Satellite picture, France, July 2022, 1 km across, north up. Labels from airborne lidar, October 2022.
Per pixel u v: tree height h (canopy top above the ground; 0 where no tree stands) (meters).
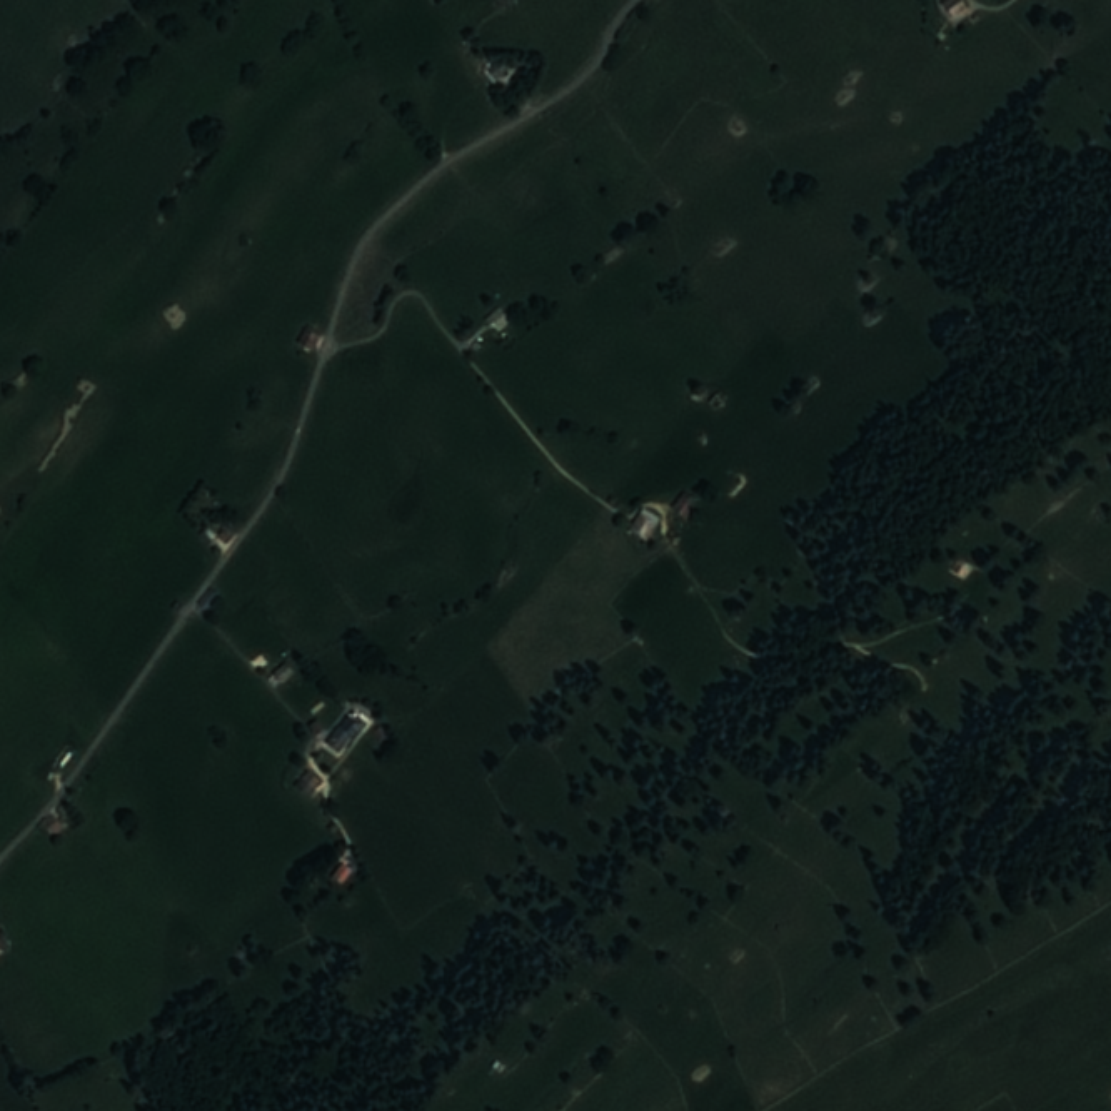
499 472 0
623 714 0
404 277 13
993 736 31
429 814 0
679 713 30
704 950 0
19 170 0
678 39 0
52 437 0
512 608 0
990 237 22
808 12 0
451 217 0
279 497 7
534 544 0
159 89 0
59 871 0
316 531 0
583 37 0
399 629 0
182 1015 11
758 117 0
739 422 0
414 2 0
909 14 0
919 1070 0
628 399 0
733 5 0
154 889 0
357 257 0
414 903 0
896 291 0
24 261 0
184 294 0
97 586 0
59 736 0
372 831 0
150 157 0
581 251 0
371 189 0
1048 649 0
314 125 0
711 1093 0
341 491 0
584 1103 0
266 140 0
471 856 0
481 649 0
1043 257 19
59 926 0
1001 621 0
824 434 0
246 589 0
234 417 0
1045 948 0
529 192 0
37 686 0
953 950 0
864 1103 0
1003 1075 0
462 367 0
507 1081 0
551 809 0
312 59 0
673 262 0
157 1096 12
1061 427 17
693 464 0
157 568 0
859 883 0
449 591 0
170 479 0
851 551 36
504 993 26
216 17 13
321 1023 28
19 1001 0
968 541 0
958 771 28
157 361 0
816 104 0
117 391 0
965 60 0
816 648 22
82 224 0
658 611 0
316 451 0
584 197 0
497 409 0
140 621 0
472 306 0
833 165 0
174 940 0
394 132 0
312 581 0
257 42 0
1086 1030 0
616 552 0
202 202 0
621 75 0
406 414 0
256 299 0
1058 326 24
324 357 0
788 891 0
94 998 0
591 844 0
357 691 0
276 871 0
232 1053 12
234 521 11
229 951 0
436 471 0
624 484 0
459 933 0
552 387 0
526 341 0
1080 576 0
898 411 13
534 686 0
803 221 0
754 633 0
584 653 0
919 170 0
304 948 0
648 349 0
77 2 0
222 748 8
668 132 0
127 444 0
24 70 0
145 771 0
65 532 0
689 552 0
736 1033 0
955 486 22
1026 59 0
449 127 0
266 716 0
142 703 0
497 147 0
